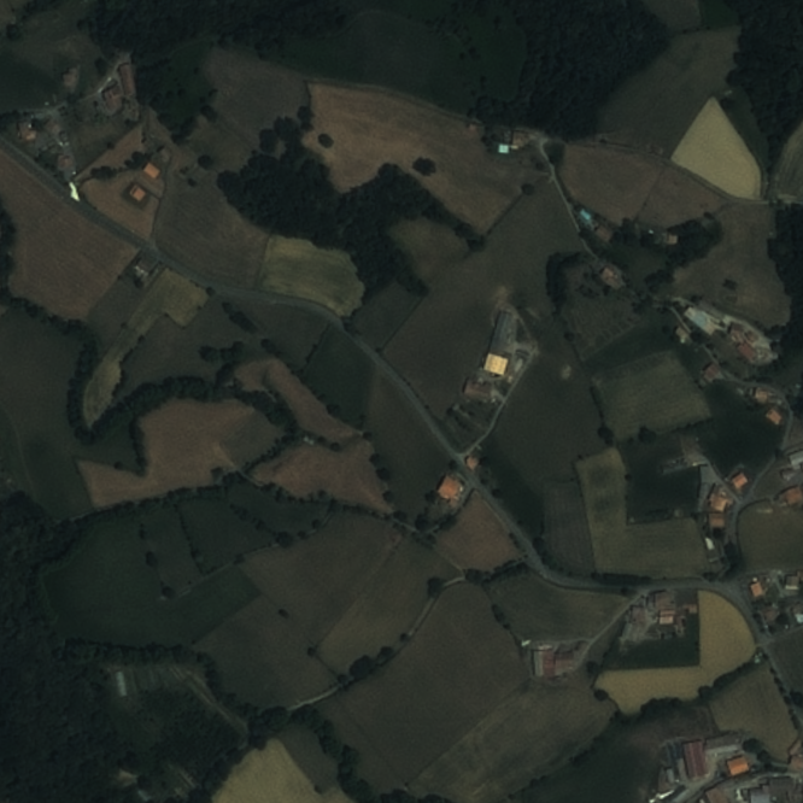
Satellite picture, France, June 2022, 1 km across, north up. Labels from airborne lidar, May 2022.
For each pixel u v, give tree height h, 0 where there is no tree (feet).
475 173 0
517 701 0
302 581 0
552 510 0
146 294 0
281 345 0
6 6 0
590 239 20
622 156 0
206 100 21
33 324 0
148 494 0
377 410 0
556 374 0
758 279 0
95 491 0
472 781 0
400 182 85
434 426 0
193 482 0
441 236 0
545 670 0
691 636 0
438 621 0
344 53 0
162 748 19
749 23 46
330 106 0
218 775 69
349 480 0
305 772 0
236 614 0
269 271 0
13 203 0
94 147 0
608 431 44
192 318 0
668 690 0
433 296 0
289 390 0
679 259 71
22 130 0
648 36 59
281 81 0
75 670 74
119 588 0
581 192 0
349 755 76
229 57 0
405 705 0
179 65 0
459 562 0
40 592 74
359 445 0
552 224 0
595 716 0
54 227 0
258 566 0
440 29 21
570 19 55
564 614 0
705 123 0
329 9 54
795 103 64
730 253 0
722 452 0
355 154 0
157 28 65
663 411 0
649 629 0
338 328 0
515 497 0
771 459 0
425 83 0
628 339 0
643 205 0
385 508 0
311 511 0
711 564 0
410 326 0
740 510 0
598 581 44
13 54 0
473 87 31
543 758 0
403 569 0
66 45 0
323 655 0
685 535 0
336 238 63
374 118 0
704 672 0
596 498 0
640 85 0
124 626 0
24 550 80
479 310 0
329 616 0
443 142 0
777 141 39
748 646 0
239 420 0
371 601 0
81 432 39
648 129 0
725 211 0
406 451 0
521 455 0
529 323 0
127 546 0
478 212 0
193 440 0
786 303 0
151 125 0
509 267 0
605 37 68
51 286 0
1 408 0
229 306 31
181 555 0
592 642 0
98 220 0
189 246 0
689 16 0
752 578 0
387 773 0
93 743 59
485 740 0
